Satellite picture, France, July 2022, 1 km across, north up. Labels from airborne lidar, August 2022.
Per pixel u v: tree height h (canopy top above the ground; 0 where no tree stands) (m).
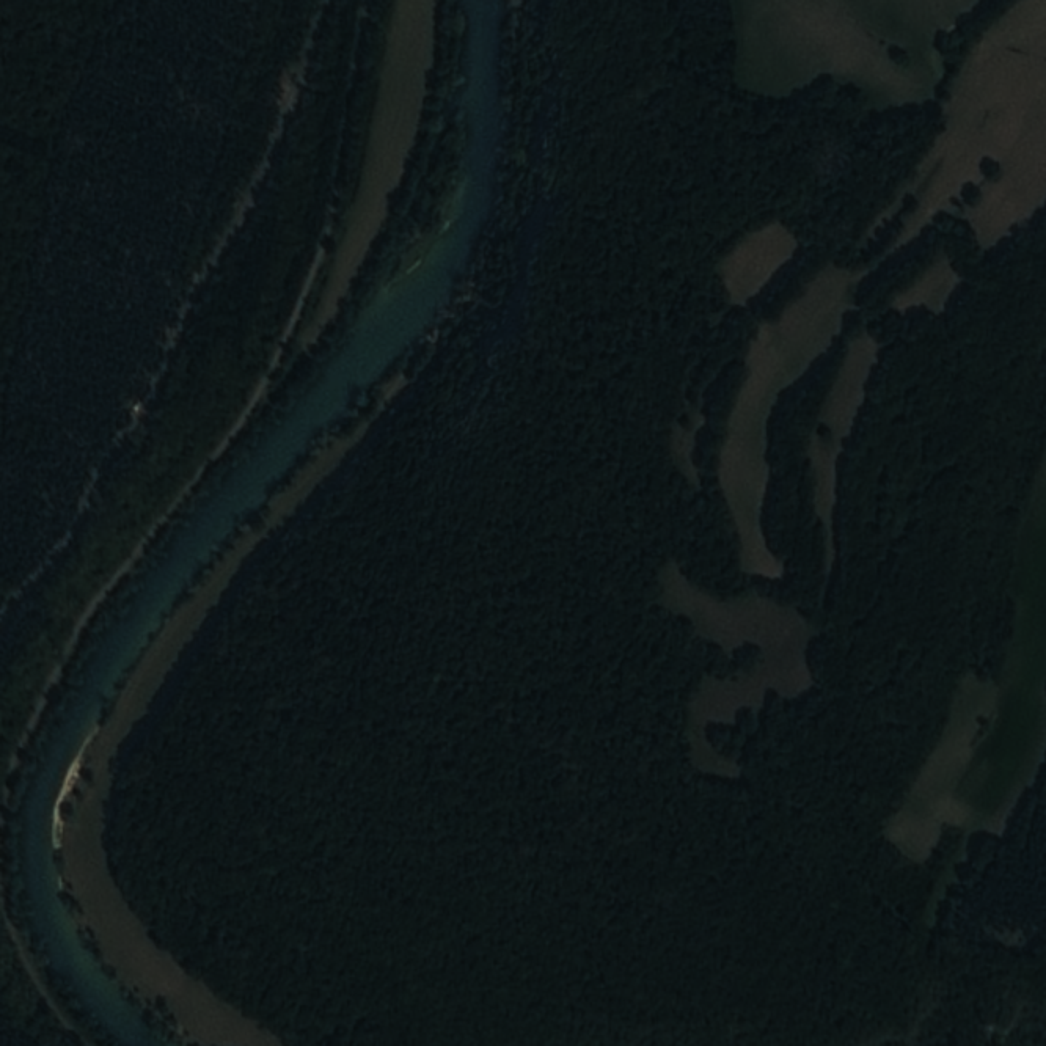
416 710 18
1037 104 0
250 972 21
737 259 0
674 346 19
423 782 20
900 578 16
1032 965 14
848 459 16
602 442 11
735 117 19
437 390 28
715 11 16
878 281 21
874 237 0
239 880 20
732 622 0
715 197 19
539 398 18
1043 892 20
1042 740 0
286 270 15
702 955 15
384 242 16
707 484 18
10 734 24
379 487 23
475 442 10
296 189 18
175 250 19
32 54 15
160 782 23
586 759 19
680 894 20
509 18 9
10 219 18
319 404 0
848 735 16
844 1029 12
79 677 12
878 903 23
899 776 20
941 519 13
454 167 6
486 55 0
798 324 0
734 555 20
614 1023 12
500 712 21
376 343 0
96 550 12
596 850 20
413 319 0
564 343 19
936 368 17
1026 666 0
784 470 21
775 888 17
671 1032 6
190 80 19
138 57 18
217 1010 0
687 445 0
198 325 16
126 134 17
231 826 16
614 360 16
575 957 18
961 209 19
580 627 18
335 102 17
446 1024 14
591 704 19
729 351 19
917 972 11
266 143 13
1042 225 17
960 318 18
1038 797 15
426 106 7
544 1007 10
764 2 0
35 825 0
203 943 24
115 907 0
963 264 17
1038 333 12
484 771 19
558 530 16
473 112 0
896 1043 9
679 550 18
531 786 19
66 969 0
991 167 17
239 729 22
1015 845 18
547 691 20
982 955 9
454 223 0
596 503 19
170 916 20
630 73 22
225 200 18
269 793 14
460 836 21
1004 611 21
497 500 19
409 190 14
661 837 19
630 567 12
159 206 19
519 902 17
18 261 13
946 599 16
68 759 0
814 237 19
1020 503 22
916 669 14
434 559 17
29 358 23
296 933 19
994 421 14
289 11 16
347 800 18
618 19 22
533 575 15
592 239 14
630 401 18
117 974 12
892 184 22
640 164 18
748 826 20
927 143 16
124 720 0
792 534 18
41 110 13
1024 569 0
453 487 15
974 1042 18
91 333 23
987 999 7
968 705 0
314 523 27
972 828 0
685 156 19
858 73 0
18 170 17
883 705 16
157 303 16
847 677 14
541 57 15
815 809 15
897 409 10
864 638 16
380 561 22
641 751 19
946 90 14
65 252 24
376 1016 17
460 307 7
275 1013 22
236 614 22
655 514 18
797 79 0
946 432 16
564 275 18
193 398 16
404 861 14
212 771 23
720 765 0
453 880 15
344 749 18
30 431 17
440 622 20
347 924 15
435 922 15
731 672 14
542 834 15
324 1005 22
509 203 23
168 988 0
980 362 16
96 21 15
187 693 26
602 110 20
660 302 17
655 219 16
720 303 23
